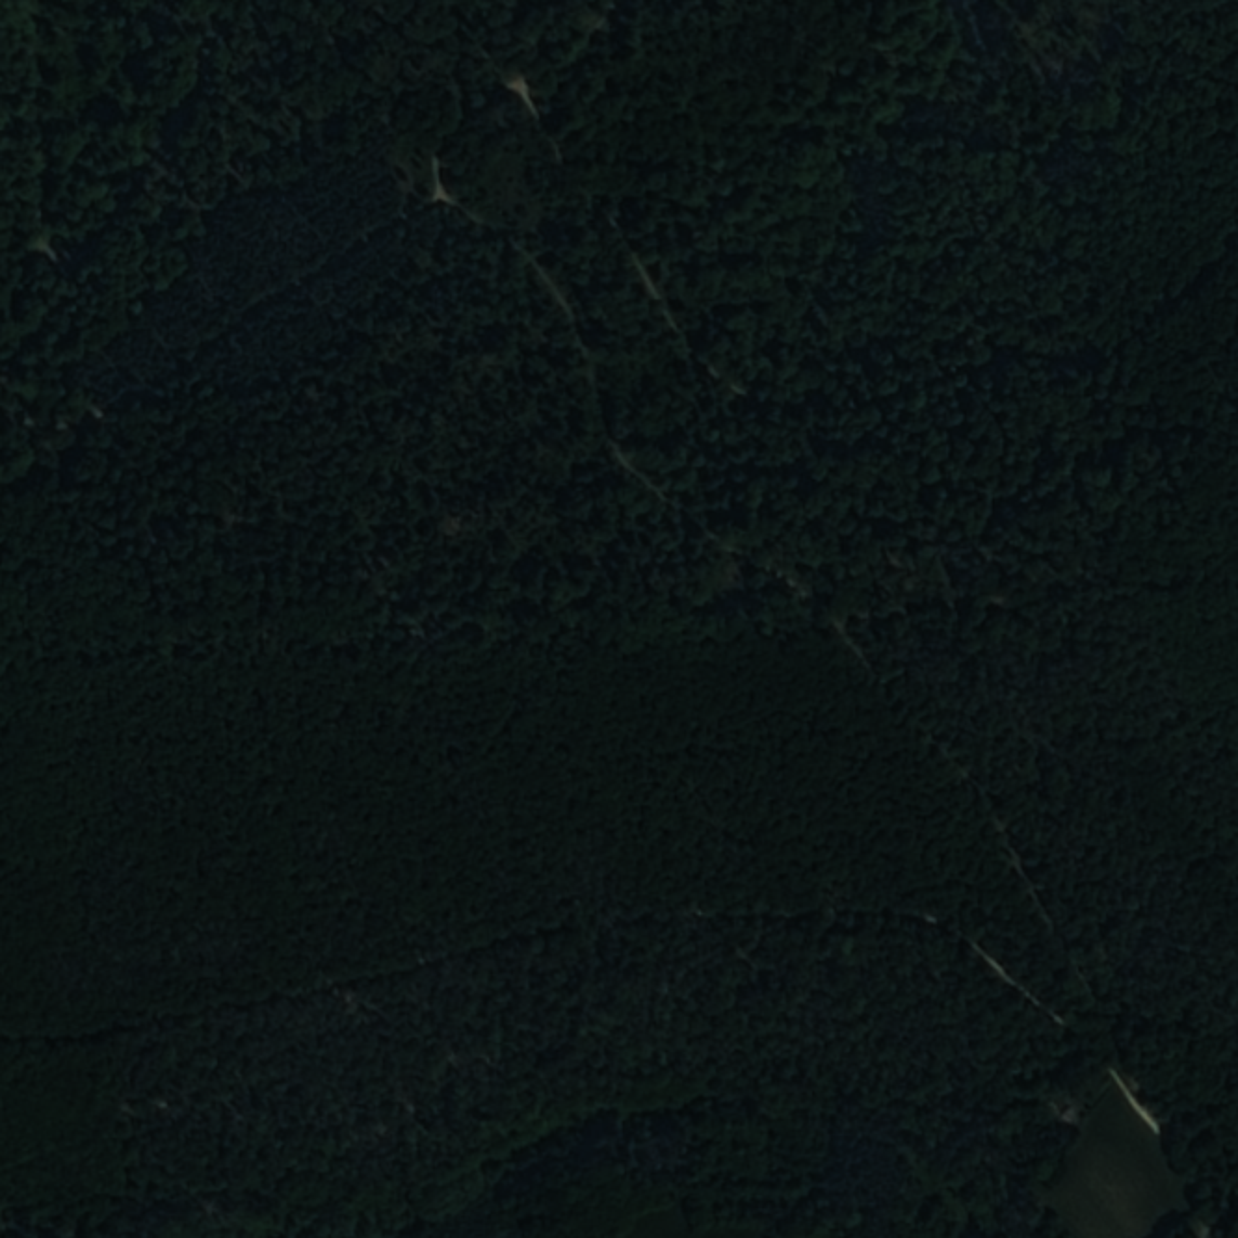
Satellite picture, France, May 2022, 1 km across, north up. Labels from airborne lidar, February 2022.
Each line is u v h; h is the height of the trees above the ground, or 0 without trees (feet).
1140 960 93
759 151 68
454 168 61
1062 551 96
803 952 73
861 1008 83
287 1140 81
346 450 99
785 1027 91
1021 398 137
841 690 78
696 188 97
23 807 76
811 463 147
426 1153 98
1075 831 92
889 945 72
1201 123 108
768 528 126
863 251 135
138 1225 100
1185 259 103
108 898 66
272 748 88
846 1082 89
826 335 136
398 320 104
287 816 75
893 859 81
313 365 87
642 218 104
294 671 70
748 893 73
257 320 77
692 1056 99
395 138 49
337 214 80
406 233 62
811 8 46
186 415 105
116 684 69
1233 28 123
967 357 130
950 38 80
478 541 20
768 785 86
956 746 91
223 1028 101
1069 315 122
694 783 74
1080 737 84
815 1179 86
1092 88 112
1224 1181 66
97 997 75
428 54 106
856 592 96
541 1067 86
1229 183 83
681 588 88
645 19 54
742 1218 57
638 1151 42
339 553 46
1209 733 80
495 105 90
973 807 90
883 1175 95
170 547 95
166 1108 91
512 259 105
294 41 94
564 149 41
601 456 62
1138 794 96
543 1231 62
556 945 105
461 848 81
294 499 27
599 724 78
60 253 0
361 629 68
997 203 117
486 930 72
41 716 65
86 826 69
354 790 82
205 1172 98
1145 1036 86
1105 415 129
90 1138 54
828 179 93
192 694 70
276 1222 60
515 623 92
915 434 129
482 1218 66
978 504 121
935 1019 86
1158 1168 0
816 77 44
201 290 86
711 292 126
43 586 96
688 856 81
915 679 71
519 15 105
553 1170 79
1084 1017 72
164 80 122
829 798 94
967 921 80
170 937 82
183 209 44
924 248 119
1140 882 90
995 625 69
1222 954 84
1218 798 89
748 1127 42
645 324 125
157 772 64
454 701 87
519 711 83
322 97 106
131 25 142
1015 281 132
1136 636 84
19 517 102
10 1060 83
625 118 47
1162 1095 79
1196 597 65
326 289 57
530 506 114
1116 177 99
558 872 78
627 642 94
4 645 77
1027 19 104
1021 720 82
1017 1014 94
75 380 66
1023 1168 88
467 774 82
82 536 88
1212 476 102
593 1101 88
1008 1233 117
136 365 80
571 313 0
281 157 96
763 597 93
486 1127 118
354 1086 116
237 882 74
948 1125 94
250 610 56
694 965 93
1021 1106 71
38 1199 66
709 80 34
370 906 84
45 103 131
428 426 109
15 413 0
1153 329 101
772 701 80
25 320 131
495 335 41
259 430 72
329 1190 88
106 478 93
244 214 73
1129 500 112
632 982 99
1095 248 107
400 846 79
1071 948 90
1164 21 101
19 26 115
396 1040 89
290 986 77
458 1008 96
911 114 95
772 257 96
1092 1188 0
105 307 120
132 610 87
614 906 95
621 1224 55
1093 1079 77
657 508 39
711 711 79
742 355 125
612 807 84
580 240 111
